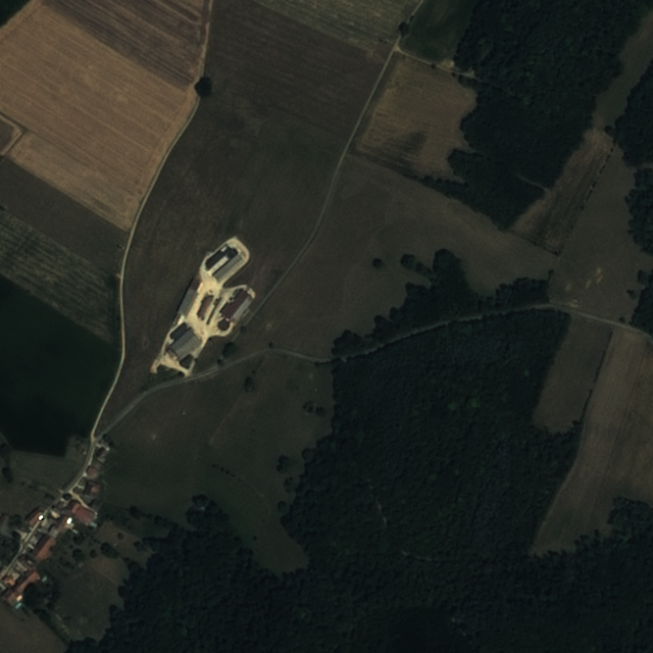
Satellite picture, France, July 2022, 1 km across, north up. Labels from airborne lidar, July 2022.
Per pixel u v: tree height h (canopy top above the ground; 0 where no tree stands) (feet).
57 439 0
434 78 0
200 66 0
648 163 47
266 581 83
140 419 0
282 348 0
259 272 0
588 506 0
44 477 0
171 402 0
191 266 0
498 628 93
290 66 0
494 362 38
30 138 0
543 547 0
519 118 53
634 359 0
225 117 0
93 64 0
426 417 32
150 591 70
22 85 0
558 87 65
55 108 0
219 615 67
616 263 0
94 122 0
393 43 0
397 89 0
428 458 47
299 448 0
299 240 0
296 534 74
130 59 0
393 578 68
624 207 0
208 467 0
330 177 0
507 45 58
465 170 45
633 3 64
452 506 52
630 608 78
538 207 0
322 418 30
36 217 0
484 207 47
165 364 0
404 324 62
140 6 0
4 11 69
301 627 76
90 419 0
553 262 0
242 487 0
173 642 65
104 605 0
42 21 0
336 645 73
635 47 0
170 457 0
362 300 0
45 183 0
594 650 83
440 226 0
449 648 41
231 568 77
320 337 0
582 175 0
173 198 0
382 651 60
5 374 0
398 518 41
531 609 85
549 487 49
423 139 0
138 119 0
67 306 0
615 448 0
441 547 44
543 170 45
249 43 0
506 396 63
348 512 57
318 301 0
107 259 0
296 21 0
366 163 0
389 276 0
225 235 0
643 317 64
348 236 0
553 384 0
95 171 0
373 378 53
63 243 0
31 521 0
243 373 0
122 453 0
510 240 0
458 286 66
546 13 83
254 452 0
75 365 0
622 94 0
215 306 0
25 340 0
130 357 0
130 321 0
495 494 73
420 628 35
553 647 83
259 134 0
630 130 73
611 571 62
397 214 0
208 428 0
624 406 0
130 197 0
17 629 0
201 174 0
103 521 0
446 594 67
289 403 0
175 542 73
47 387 0
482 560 23
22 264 0
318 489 64
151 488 0
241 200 0
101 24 0
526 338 49
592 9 64
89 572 0
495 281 0
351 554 68
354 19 0
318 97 0
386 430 49
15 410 0
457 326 49
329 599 73
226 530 60
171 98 0
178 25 0
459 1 0
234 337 0
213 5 0
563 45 51
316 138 0
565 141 52
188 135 0
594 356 0
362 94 0
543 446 58
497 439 56
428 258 0
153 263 0
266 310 0
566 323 46
